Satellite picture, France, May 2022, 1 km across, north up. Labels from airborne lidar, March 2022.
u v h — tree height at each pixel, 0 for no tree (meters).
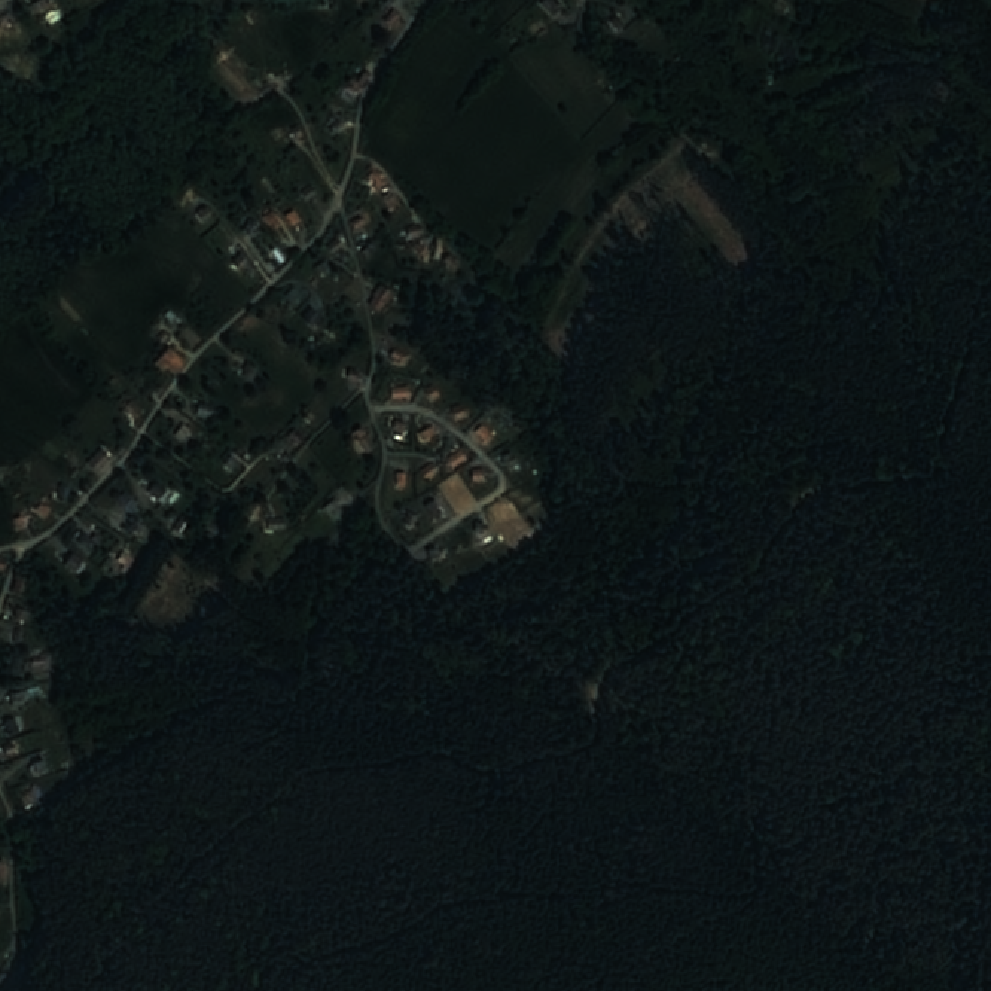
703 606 23
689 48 11
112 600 26
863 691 27
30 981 29
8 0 0
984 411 20
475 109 0
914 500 22
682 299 30
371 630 18
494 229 0
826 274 14
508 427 0
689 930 23
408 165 0
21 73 0
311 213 0
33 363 0
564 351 0
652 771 20
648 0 10
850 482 21
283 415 0
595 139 0
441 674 24
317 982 27
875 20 9
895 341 27
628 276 21
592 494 13
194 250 0
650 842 25
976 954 24
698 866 28
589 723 23
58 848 24
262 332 0
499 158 0
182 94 23
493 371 31
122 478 14
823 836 28
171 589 0
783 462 21
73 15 6
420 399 0
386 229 7
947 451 21
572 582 29
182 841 21
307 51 0
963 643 21
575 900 20
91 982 21
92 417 0
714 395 19
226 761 25
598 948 20
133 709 21
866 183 10
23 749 0
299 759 20
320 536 0
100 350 0
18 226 28
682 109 7
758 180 22
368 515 14
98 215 24
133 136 26
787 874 33
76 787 22
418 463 0
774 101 14
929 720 29
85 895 25
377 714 27
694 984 19
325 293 0
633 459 27
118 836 25
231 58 0
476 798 32
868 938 14
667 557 34
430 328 23
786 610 26
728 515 29
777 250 29
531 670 33
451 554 0
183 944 22
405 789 23
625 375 27
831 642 30
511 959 20
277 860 19
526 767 19
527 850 27
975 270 22
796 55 0
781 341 26
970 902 11
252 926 21
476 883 21
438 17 7
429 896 19
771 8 0
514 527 0
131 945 21
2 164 23
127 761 24
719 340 22
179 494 0
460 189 0
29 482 0
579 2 0
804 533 29
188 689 21
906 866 27
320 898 21
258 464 0
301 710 24
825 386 22
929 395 20
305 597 17
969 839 28
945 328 19
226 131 9
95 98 18
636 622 19
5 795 0
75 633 26
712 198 27
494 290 22
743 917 25
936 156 23
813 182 15
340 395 0
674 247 29
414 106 0
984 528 22
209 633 32
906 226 15
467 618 13
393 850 23
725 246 0
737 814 9
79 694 20
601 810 19
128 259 0
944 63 27
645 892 21
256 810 19
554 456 26
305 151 0
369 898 26
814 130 13
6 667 19
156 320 0
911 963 7
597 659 26
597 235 0
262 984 22
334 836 22
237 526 21
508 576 9
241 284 0
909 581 33
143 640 25
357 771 26
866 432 25
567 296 0
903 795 27
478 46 0
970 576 25
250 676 28
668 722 32
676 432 21
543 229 0
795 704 19
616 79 16
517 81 0
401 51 6
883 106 32
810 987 22
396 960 22
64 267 21
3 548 0
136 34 18
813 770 21
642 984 28
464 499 0
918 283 20
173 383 0
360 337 18
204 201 0
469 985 20
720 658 22
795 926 19
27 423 0
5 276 28
